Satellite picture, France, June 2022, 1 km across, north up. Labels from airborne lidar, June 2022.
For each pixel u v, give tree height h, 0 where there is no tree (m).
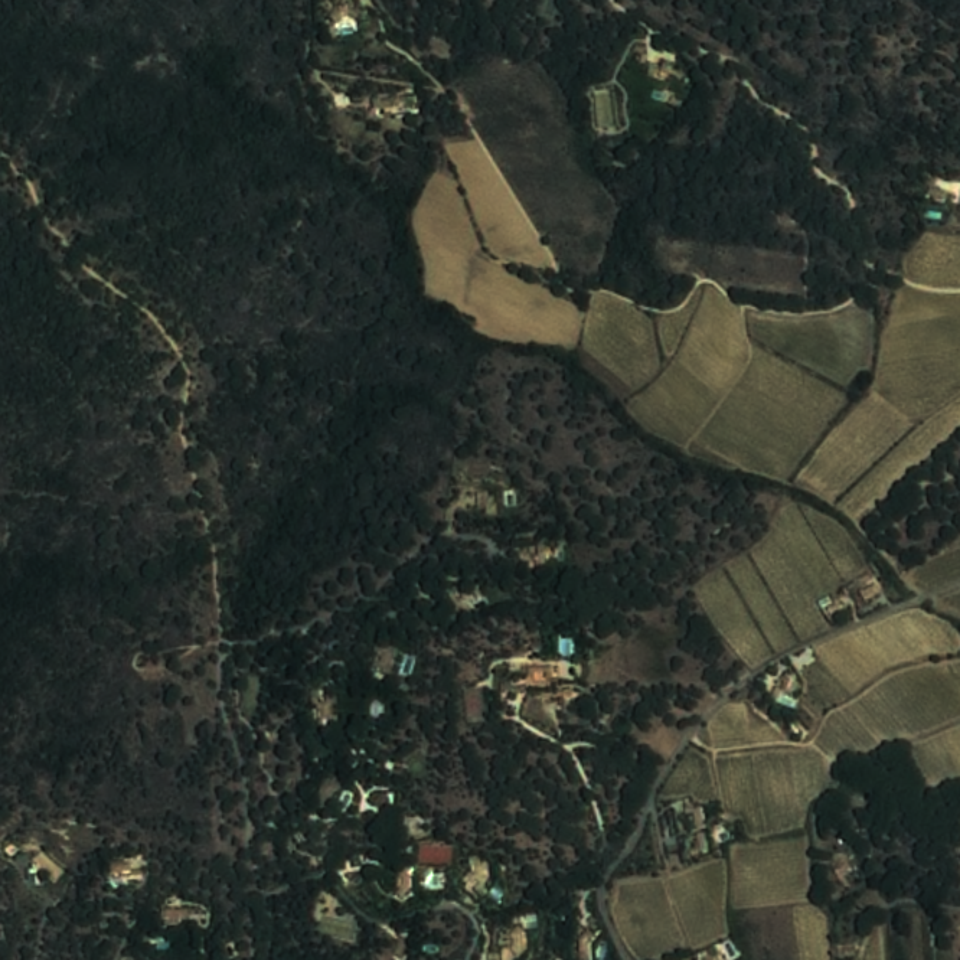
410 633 9
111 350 8
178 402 7
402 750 12
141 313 6
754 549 0
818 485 0
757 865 0
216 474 6
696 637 11
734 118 7
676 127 8
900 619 0
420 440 6
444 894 7
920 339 0
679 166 11
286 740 10
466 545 7
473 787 11
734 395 0
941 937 11
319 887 8
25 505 6
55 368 8
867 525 11
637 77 0
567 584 14
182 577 7
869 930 13
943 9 7
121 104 9
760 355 0
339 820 13
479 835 7
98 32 6
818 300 6
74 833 0
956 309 0
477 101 0
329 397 10
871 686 0
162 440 6
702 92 12
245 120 11
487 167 0
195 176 6
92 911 7
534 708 0
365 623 10
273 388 10
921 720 0
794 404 0
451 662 8
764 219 6
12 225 11
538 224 0
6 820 11
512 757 12
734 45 13
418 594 9
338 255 7
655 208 9
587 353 0
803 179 8
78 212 7
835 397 0
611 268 7
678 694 14
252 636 7
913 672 0
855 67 10
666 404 0
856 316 0
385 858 12
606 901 0
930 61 9
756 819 0
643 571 13
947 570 0
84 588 7
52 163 10
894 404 0
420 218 0
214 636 7
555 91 0
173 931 11
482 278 0
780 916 0
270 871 13
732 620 0
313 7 7
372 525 14
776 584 0
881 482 0
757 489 8
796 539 0
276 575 6
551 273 7
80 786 7
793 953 0
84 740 7
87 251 10
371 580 12
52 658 7
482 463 0
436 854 0
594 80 7
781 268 0
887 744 12
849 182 10
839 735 0
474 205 0
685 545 12
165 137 10
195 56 6
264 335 0
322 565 8
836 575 0
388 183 7
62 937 9
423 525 14
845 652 0
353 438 8
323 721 0
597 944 0
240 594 8
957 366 0
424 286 8
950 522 8
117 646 6
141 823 9
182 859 9
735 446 0
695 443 0
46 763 7
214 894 9
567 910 11
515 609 11
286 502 15
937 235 0
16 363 6
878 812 13
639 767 12
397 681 12
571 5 9
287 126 6
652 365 0
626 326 0
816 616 0
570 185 0
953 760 0
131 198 9
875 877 9
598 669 0
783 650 0
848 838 15
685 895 0
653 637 0
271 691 10
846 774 12
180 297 5
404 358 14
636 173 11
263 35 7
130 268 6
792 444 0
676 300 10
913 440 0
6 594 9
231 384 10
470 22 8
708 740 0
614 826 8
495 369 7
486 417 10
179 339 7
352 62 7
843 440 0
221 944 10
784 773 0
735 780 0
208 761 12
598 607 14
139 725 7
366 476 13
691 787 0
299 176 7
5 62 8
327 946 9
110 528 6
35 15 8
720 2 10
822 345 0
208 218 7
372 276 10
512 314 0
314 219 12
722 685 7
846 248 10
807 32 11
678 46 12
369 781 9
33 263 7
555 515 9
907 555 11
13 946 7
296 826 12
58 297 8
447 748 14
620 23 9
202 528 8
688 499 12
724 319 0
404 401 8
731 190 10
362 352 7
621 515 11
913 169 10
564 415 7
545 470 7
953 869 10
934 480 11
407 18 9
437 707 8
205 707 0
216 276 6
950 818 12
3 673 8
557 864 11
